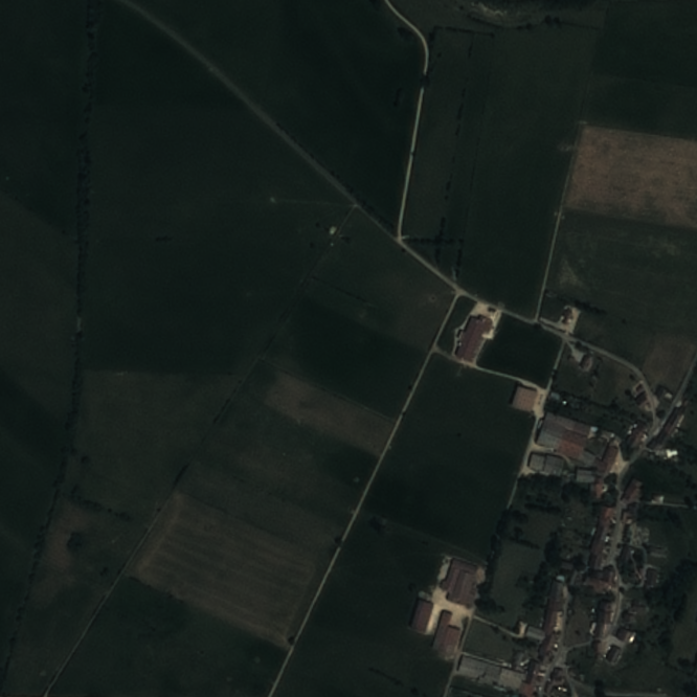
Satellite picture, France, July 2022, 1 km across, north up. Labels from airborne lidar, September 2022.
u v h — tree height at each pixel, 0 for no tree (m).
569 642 0
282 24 0
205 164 0
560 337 0
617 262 0
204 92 0
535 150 0
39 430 0
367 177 0
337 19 0
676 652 0
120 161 0
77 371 6
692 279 0
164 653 0
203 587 0
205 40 0
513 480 0
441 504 0
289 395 0
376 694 0
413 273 0
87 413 0
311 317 0
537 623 0
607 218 0
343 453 0
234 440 0
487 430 0
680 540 0
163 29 0
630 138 0
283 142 0
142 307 0
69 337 0
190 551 0
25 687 0
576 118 0
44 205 0
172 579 0
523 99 0
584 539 6
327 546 0
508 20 0
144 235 0
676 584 24
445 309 0
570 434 0
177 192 0
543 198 0
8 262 0
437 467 0
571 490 14
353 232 0
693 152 0
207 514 0
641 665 0
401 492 0
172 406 0
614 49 0
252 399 0
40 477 0
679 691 0
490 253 0
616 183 0
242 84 0
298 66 0
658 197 0
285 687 0
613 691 0
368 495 0
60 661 0
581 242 0
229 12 0
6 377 0
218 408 0
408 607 0
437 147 0
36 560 6
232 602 0
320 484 0
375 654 0
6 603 0
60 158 0
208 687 0
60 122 0
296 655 0
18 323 0
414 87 0
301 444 0
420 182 0
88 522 0
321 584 0
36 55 0
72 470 0
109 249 0
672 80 0
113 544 0
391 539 0
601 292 0
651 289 0
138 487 0
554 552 17
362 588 0
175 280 0
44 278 0
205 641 0
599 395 0
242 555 0
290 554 0
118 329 0
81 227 6
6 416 0
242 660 0
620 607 0
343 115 0
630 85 0
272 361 0
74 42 0
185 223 0
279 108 0
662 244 0
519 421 0
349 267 0
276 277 0
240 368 0
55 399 0
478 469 0
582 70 0
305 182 0
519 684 0
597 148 0
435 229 0
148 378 0
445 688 0
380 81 0
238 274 0
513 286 0
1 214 0
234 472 0
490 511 0
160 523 0
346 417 0
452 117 0
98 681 0
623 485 0
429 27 0
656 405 0
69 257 0
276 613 0
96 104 0
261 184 0
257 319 0
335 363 0
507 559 0
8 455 0
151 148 0
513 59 0
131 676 0
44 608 0
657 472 0
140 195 0
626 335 0
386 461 0
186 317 0
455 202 0
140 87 0
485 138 0
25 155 0
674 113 0
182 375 0
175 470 0
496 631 8
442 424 0
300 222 0
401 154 0
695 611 0
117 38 0
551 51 0
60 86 0
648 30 0
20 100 0
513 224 0
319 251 0
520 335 0
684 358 0
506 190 0
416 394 0
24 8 0
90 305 0
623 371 0
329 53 0
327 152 0
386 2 0
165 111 0
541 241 0
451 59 0
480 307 0
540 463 0
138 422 0
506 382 0
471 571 0
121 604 0
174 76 0
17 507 0
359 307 0
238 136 0
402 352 0
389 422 0
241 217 0
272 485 0
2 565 0
